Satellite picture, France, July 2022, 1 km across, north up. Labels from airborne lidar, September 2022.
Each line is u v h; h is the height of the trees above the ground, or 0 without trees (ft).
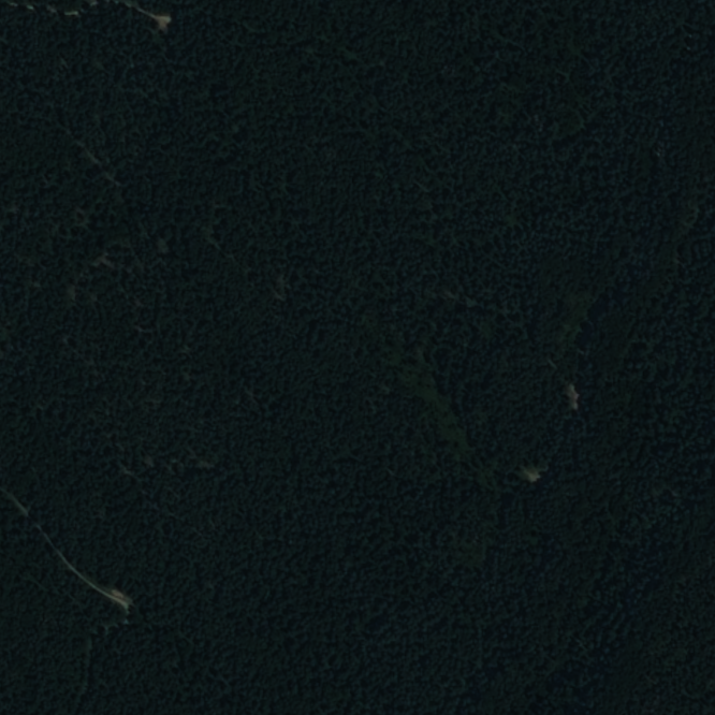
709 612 58
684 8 109
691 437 84
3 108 64
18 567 64
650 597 117
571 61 69
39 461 48
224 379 59
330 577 83
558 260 107
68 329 71
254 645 87
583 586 104
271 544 84
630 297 115
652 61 95
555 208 20
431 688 99
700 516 91
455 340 54
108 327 56
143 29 94
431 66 24
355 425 96
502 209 84
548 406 89
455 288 91
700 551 39
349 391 123
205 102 25
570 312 118
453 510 94
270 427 102
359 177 83
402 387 88
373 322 33
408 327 106
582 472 97
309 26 78
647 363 110
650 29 111
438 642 75
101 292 52
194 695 80
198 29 55
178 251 94
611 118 90
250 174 102
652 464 95
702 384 112
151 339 86
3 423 52
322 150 87
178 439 65
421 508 88
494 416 92
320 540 105
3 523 21
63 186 74
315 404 92
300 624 91
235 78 71
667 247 113
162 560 99
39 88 106
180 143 104
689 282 94
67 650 82
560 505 58
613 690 90
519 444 94
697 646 87
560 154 91
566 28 41
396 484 92
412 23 75
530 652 94
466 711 123
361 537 87
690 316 74
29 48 77
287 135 70
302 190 84
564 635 95
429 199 89
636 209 98
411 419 86
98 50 102
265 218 86
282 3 74
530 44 95
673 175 99
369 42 85
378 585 97
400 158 105
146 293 77
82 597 65
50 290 66
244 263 85
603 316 122
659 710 77
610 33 93
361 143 75
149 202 72
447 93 91
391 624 112
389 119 92
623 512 93
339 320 26
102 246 66
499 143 102
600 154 98
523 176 96
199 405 79
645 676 54
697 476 73
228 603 96
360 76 34
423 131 64
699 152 83
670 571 102
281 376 97
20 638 67
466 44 93
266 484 72
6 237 79
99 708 82
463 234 76
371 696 108
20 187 31
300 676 77
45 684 77
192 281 105
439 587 92
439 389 19
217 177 75
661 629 65
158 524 120
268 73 58
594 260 124
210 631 82
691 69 99
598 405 100
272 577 108
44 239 69
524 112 48
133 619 55
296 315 108
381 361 36
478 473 19
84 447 111
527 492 76
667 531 86
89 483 82
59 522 61
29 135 59
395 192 118
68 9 51
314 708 102
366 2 60
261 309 82
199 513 86
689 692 62
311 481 93
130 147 69
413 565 26
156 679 95
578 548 46
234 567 78
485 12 89
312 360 84
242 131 31
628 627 91
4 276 89
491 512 89
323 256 67
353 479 106
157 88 34
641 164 86
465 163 105
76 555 87
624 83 107
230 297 70
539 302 83
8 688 92
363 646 117
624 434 40
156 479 87
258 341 82
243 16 77
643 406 40
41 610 79
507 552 99
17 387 94
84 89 94
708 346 110
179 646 98
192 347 74
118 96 86
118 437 60
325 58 83
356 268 60
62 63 55
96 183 89
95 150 68
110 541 69
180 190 75
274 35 100
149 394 63
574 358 54
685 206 72
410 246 77
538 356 101
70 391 99
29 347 107
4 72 74
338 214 72
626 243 108
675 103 106
